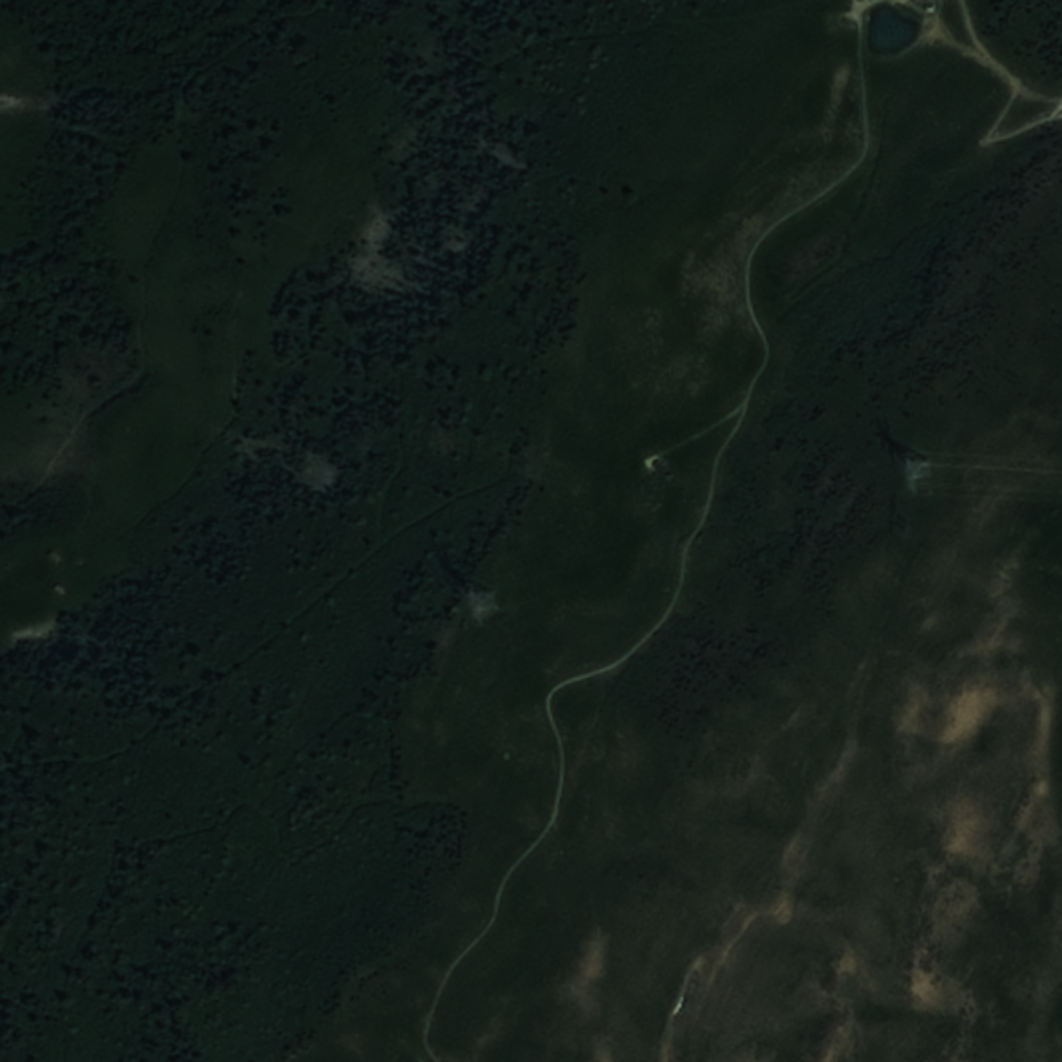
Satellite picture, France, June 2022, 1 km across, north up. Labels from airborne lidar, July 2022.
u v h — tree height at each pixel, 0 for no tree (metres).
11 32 0
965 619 0
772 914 0
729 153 0
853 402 0
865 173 0
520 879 0
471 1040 0
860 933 0
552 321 12
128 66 14
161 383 0
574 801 0
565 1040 0
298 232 0
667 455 0
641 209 0
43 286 11
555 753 0
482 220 14
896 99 0
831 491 5
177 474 0
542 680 0
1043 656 0
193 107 8
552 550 0
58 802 19
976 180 0
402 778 8
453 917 0
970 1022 0
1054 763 0
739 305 0
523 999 0
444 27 12
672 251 0
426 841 13
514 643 0
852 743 0
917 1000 0
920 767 0
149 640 10
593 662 0
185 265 0
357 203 0
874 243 0
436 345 9
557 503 0
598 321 0
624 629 0
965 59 0
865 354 8
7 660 6
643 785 0
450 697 0
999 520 0
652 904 0
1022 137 0
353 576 8
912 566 0
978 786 0
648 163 0
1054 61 7
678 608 0
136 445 0
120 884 10
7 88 0
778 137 0
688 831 0
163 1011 18
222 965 7
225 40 7
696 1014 0
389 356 14
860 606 0
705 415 0
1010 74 0
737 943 0
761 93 0
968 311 6
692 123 0
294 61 8
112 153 11
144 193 0
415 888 10
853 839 0
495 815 0
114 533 0
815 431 0
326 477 0
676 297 0
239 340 0
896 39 0
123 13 13
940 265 10
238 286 0
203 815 7
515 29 16
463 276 12
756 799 0
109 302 13
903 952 0
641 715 0
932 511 0
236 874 8
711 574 0
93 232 12
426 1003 0
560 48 10
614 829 0
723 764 0
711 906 0
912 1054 0
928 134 0
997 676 0
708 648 7
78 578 0
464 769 0
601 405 0
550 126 5
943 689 0
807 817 0
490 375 9
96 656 7
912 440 0
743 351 0
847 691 0
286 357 15
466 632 0
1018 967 0
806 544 7
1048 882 0
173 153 0
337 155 0
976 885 0
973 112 0
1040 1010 0
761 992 0
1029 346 0
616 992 0
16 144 0
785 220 0
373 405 11
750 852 0
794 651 0
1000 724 0
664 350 0
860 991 0
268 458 9
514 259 14
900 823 0
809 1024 0
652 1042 0
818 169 0
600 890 0
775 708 0
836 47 0
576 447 0
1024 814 0
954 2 0
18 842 7
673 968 0
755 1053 0
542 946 0
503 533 9
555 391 0
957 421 0
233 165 8
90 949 11
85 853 7
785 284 0
